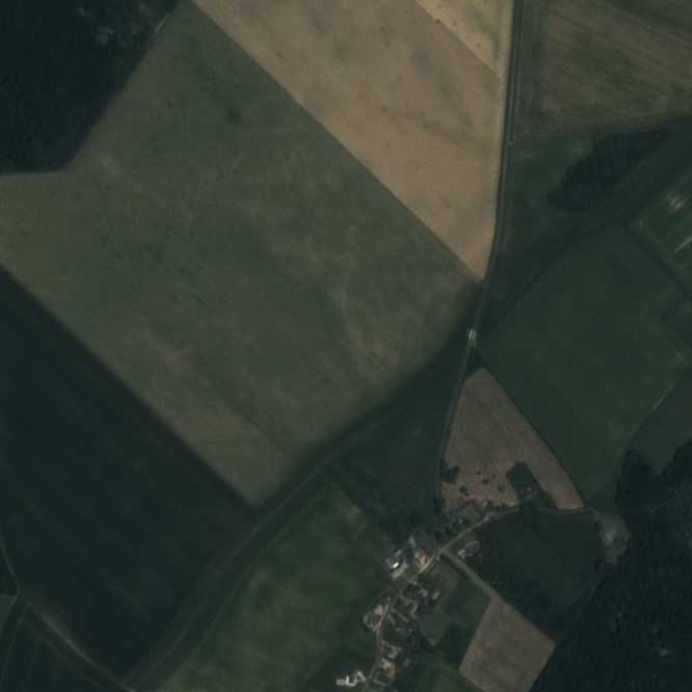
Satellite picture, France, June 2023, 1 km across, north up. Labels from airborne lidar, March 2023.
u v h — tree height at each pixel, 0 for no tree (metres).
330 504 0
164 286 0
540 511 10
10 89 24
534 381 0
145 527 0
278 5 0
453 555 0
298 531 0
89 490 0
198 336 0
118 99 0
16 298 0
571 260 0
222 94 0
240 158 0
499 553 6
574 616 12
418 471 0
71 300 0
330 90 0
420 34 0
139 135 0
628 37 0
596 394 0
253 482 0
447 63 0
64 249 0
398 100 0
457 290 0
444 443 0
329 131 0
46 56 27
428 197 0
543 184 0
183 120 0
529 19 0
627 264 0
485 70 0
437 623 0
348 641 0
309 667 0
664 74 0
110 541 0
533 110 0
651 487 19
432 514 0
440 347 0
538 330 0
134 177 0
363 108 0
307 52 0
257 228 0
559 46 0
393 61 0
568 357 0
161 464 0
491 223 0
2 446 0
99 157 0
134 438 0
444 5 0
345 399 0
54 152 23
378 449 0
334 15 0
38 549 0
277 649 0
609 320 0
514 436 0
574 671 26
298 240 0
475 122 0
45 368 0
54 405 0
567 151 0
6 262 0
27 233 0
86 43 23
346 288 0
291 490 0
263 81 0
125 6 21
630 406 0
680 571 24
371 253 0
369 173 0
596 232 0
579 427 0
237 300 0
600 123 0
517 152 0
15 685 0
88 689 0
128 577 0
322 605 0
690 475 22
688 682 29
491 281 0
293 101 0
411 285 0
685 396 0
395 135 0
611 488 0
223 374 0
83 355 0
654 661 26
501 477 0
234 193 0
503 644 0
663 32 0
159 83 0
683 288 0
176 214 0
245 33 0
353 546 0
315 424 0
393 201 0
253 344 0
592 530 0
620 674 25
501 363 0
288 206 0
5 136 21
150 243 0
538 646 0
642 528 19
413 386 0
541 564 0
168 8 0
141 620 0
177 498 0
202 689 0
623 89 0
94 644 0
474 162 0
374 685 10
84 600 0
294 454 0
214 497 0
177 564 0
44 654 0
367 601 0
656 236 0
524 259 0
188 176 0
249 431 0
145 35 17
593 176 14
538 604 7
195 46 0
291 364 0
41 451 0
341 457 0
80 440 0
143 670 0
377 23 0
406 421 0
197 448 0
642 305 0
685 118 0
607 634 26
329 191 0
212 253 0
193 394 0
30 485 0
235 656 0
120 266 0
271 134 0
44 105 28
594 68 0
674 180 0
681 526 23
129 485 0
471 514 0
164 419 0
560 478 0
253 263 0
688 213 0
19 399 0
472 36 0
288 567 0
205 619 0
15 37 26
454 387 0
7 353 0
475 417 0
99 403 0
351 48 0
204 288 0
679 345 0
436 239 0
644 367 0
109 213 0
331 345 0
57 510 0
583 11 0
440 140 0
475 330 0
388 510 0
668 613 28
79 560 0
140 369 0
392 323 0
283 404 0
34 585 0
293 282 0
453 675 0
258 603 0
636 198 0
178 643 0
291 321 0
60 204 0
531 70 0
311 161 0
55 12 25
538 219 0
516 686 0
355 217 0
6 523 0
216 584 0
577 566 0
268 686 0
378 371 0
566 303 0
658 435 0
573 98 0
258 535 0
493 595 0
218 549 0
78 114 21
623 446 0
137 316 0
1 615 0
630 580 24
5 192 0
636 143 10
